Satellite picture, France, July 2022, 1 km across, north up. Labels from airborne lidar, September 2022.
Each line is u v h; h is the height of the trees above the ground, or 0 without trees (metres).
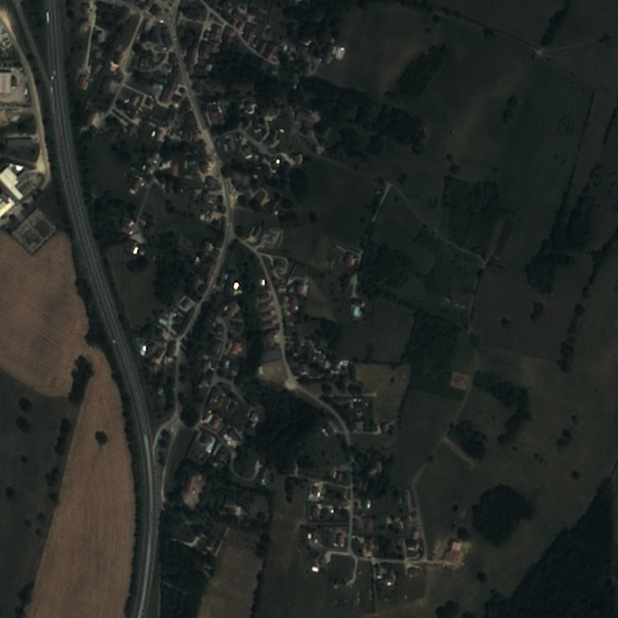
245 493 6
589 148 0
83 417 0
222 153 0
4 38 0
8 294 0
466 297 0
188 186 0
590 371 0
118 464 0
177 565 20
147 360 7
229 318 0
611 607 18
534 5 0
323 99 19
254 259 11
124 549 0
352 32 0
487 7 0
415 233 0
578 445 0
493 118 0
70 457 0
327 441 0
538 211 0
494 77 0
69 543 0
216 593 0
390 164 0
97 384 0
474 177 0
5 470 0
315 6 19
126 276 0
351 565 0
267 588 0
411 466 0
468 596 0
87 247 0
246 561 0
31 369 0
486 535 13
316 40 6
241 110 6
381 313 0
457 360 0
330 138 0
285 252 6
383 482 10
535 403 0
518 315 0
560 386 0
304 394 0
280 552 0
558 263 23
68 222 13
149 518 0
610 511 13
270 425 13
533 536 0
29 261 0
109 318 0
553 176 0
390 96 9
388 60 0
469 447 15
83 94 0
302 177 27
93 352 0
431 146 0
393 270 9
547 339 0
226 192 0
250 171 9
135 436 10
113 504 0
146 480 0
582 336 0
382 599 0
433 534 0
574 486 0
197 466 13
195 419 17
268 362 0
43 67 0
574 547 24
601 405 0
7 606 0
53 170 9
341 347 0
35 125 0
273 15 0
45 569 0
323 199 0
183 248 0
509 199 0
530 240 0
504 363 0
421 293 0
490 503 14
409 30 0
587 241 8
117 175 0
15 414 0
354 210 0
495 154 0
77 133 10
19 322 0
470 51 0
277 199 12
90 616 0
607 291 0
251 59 13
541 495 0
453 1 0
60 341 0
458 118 0
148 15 0
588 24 0
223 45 8
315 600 0
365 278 8
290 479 11
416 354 6
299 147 0
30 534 0
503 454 0
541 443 0
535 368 0
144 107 0
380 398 0
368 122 16
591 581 8
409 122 14
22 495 0
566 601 12
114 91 0
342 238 0
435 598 0
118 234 11
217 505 6
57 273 0
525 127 0
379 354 0
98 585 0
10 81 0
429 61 7
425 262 0
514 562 0
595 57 0
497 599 15
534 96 0
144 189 0
